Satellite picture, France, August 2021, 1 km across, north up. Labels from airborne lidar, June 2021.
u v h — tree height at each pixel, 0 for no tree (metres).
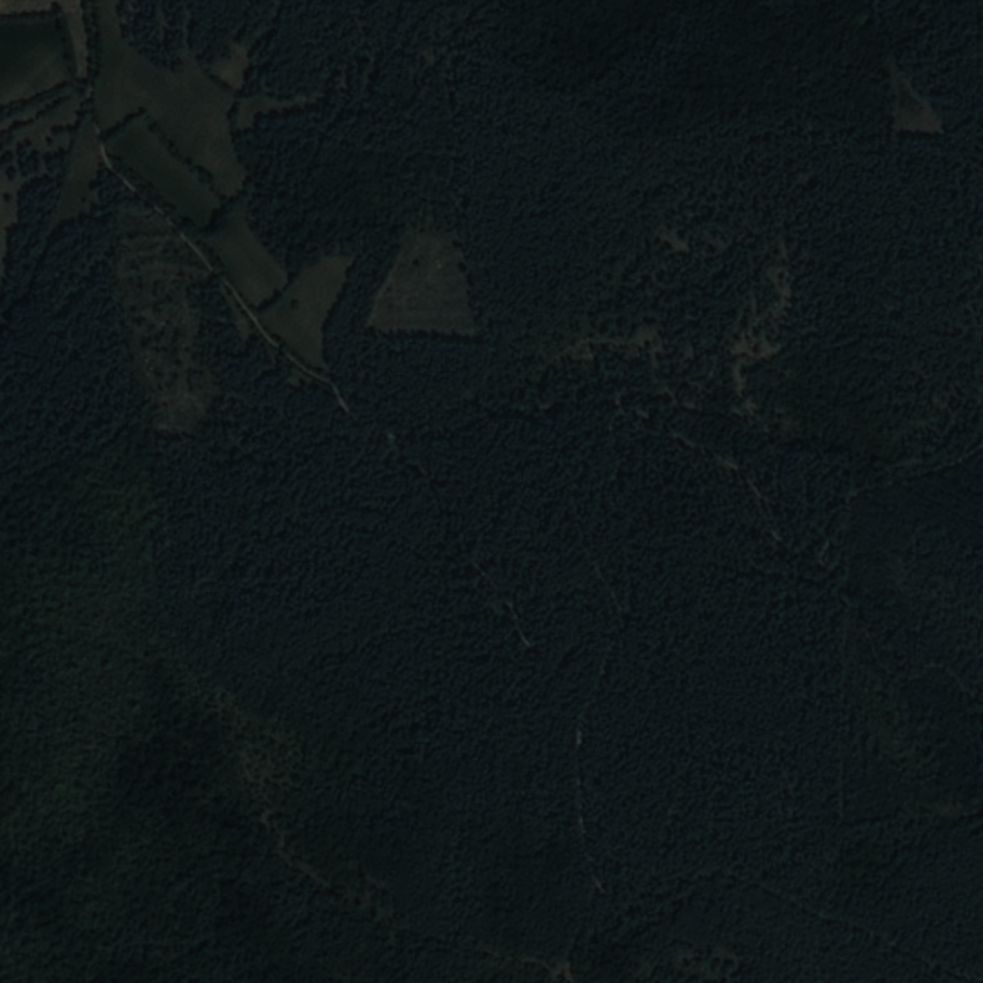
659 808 13
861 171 14
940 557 10
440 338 14
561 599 16
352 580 8
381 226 11
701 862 15
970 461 6
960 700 9
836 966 9
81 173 0
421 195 7
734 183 13
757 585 17
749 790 13
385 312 0
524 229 15
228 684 10
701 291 13
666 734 14
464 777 14
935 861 11
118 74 0
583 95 11
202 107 0
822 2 14
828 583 15
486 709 20
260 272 0
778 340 8
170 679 7
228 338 8
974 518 7
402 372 17
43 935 13
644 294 11
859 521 8
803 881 15
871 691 7
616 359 19
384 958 7
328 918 7
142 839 7
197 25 14
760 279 14
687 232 15
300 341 0
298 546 15
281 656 10
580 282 17
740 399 8
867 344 8
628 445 12
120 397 13
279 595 10
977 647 8
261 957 12
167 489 12
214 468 15
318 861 13
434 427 19
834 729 10
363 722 12
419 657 17
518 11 16
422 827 9
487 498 15
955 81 14
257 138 13
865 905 11
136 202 15
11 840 12
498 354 14
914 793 6
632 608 8
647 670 13
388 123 17
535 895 15
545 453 15
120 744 7
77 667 12
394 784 16
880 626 17
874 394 7
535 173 13
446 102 13
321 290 0
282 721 10
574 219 14
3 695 11
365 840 14
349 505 15
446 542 12
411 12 15
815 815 9
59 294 14
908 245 14
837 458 17
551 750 13
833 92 10
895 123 15
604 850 14
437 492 17
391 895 10
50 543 8
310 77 12
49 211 14
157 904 10
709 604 16
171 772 10
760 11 14
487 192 12
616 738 12
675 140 16
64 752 8
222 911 12
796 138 16
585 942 15
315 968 7
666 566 17
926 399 17
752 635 15
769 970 12
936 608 9
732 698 14
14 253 16
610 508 16
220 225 13
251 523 18
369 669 17
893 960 10
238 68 0
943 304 17
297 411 14
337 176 11
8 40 0
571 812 12
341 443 19
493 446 20
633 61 13
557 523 16
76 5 0
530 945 13
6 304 10
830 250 12
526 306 14
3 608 10
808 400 8
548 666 18
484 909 8
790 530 18
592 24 14
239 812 8
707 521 18
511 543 16
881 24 9
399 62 15
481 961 8
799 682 16
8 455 17
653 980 9
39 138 0
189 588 10
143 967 13
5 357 18
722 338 16
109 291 16
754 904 12
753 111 15
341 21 13
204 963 8
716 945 11
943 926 8
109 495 6
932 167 14
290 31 12
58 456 10
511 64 13
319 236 12
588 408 19
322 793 13
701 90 15
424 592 15
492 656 17
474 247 14
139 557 5
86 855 7
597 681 11
